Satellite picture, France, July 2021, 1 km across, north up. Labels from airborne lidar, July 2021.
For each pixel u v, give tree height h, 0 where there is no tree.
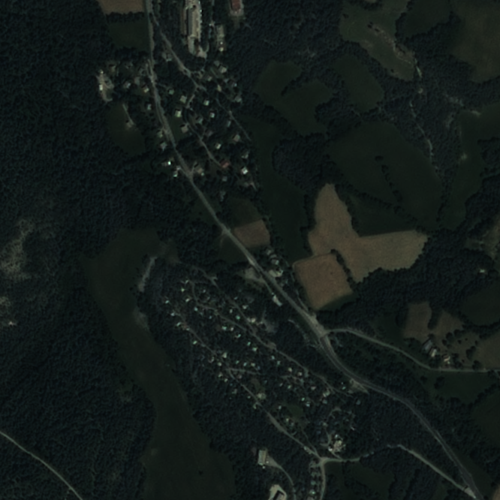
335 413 8
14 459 20
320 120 17
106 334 19
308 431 8
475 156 0
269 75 0
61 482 13
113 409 22
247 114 15
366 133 0
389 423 20
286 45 16
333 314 17
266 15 13
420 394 22
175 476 0
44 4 10
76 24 19
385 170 13
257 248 0
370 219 0
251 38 16
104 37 23
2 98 8
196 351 10
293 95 0
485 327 12
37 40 21
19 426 17
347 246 0
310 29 17
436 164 9
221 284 15
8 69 18
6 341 15
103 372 21
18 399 12
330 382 7
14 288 12
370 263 0
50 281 9
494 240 0
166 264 9
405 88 9
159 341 14
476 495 0
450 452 0
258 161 10
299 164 18
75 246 19
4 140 16
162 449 0
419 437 15
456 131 8
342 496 7
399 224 0
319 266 0
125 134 0
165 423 0
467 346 0
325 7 20
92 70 18
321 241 0
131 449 11
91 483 12
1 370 22
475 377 0
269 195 0
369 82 0
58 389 23
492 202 21
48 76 24
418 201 0
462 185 0
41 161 20
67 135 21
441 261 20
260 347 13
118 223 19
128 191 24
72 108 15
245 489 20
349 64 0
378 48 0
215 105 17
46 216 11
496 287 0
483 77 0
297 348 13
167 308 10
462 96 8
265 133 0
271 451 10
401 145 0
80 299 28
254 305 9
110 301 0
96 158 19
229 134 6
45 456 7
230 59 13
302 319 0
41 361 10
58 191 7
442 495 0
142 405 12
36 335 14
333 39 10
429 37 17
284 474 7
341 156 0
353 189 13
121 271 0
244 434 14
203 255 14
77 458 13
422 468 14
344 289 0
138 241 0
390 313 14
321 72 9
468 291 19
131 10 0
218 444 16
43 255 11
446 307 24
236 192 18
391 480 0
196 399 17
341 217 0
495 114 0
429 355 12
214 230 12
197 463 0
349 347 7
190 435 0
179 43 11
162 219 21
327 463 0
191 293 6
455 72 15
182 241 15
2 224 20
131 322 0
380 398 16
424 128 12
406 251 0
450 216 0
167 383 0
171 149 15
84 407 15
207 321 12
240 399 13
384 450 16
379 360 20
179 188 12
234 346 12
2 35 21
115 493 11
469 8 0
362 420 17
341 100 16
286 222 0
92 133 17
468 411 9
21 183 17
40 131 13
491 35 0
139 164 18
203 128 20
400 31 15
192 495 0
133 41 0
